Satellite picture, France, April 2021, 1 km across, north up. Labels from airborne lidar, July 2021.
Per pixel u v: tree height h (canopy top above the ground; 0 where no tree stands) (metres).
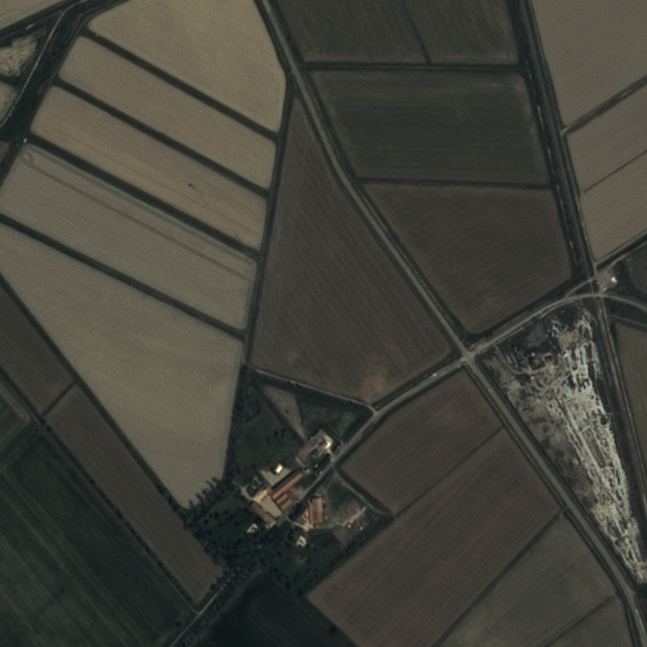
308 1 0
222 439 0
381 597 0
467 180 0
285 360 0
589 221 0
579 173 0
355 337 0
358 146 0
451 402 0
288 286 0
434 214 0
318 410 0
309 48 0
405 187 0
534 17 0
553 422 0
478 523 0
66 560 0
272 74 0
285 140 0
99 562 0
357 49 0
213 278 0
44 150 0
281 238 0
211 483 0
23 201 0
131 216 0
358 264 0
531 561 0
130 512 0
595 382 0
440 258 0
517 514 0
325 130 0
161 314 0
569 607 0
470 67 0
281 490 0
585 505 0
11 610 0
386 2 0
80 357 0
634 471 0
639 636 0
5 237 0
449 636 0
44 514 0
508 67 0
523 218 0
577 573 0
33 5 0
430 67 0
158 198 0
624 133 0
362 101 0
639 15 0
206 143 0
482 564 0
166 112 0
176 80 0
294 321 0
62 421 0
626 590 0
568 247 0
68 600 0
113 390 0
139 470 0
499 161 0
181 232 0
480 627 0
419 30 0
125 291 0
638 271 0
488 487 0
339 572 0
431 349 0
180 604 0
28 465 0
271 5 0
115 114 0
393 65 0
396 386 0
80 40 0
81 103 0
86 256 0
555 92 0
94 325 0
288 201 0
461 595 0
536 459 0
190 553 0
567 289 0
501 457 0
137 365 0
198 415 0
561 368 0
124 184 0
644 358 0
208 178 0
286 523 7
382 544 0
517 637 0
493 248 0
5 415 0
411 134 0
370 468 0
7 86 0
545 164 0
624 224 0
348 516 0
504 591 0
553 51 0
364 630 0
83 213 0
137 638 0
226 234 0
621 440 0
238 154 0
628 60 0
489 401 0
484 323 0
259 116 0
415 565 0
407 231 0
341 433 0
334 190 0
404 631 0
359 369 0
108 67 0
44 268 0
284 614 0
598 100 0
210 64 0
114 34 0
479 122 0
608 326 0
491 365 0
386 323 0
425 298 0
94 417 0
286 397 0
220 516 12
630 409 0
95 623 0
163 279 0
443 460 0
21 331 0
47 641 0
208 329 0
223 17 0
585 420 0
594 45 0
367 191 0
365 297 0
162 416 0
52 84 0
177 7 0
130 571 0
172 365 0
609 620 0
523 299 0
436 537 0
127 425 0
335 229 0
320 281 0
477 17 0
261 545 13
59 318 0
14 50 0
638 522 0
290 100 0
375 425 0
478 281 0
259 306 0
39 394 0
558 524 0
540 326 0
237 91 0
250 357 0
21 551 0
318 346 0
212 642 0
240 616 0
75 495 0
